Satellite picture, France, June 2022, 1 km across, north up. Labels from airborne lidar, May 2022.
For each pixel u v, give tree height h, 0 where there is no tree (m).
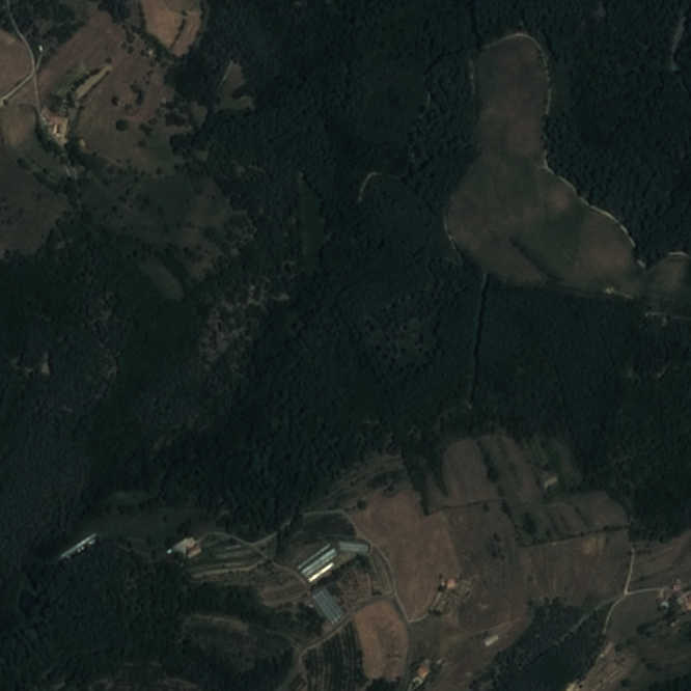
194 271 0
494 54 0
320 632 6
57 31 8
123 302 16
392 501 0
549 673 17
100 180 0
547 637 12
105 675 13
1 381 21
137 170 7
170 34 0
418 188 13
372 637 0
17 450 18
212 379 11
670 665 6
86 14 0
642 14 10
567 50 20
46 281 17
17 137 0
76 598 20
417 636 0
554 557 0
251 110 18
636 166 28
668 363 12
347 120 29
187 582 7
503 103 0
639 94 24
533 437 8
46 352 14
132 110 8
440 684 0
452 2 18
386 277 20
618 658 0
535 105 0
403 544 0
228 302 8
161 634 12
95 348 18
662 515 8
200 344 20
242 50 18
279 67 14
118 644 23
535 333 24
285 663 11
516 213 0
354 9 16
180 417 17
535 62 0
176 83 12
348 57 18
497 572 0
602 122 29
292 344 18
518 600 0
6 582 17
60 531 21
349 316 22
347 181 21
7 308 13
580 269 0
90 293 15
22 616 24
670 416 17
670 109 24
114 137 0
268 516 12
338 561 0
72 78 0
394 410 20
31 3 7
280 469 14
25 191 0
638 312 14
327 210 23
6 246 0
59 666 15
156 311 16
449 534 0
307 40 23
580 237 0
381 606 0
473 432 12
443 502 0
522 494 0
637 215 16
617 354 20
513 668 12
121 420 9
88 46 0
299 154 22
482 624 0
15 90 0
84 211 6
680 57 22
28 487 15
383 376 27
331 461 16
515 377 13
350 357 16
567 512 0
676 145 26
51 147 10
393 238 18
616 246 0
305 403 17
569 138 22
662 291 0
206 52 8
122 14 12
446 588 7
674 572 0
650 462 11
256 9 18
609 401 16
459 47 18
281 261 17
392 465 0
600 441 14
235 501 16
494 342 17
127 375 9
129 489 18
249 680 17
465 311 19
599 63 17
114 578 12
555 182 0
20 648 18
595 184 16
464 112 21
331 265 18
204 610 8
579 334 21
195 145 18
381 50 17
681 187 20
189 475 10
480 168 0
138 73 0
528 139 0
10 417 16
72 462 18
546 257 0
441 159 20
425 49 16
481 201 0
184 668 15
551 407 12
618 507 0
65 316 16
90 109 0
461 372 23
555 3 23
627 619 0
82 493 9
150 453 11
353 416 14
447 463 0
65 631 21
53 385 18
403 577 0
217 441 28
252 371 23
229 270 10
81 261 13
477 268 14
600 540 0
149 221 0
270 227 14
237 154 14
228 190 15
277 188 18
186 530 7
